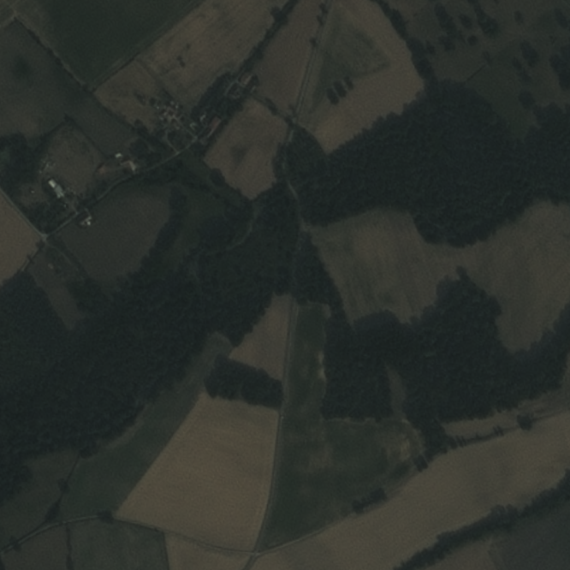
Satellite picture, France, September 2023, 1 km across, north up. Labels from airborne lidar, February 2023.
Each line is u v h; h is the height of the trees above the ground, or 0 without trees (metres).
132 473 0
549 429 0
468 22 14
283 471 0
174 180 7
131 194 0
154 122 0
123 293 23
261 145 0
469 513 0
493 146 26
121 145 0
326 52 0
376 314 0
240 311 16
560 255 0
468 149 13
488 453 0
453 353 30
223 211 0
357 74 0
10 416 28
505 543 0
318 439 0
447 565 0
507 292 0
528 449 0
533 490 0
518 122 0
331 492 0
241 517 0
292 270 0
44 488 0
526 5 0
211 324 19
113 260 0
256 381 18
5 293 19
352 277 0
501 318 0
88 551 0
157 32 0
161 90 0
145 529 0
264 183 0
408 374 23
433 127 25
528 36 0
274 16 15
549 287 0
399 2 0
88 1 0
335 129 0
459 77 0
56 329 17
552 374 19
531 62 22
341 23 0
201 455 0
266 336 0
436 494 0
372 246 0
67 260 0
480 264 0
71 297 0
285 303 0
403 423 0
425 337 16
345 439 0
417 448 0
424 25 0
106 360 22
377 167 23
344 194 8
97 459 0
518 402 15
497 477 0
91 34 0
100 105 17
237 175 0
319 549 0
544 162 18
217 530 0
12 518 0
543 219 0
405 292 0
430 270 0
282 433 0
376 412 19
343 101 0
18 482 16
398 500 0
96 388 16
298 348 0
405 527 0
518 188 21
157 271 0
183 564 0
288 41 0
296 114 15
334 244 0
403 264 0
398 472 0
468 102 25
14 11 0
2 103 0
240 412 0
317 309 0
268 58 0
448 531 0
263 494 0
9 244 0
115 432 19
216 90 9
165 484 0
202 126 9
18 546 17
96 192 0
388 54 0
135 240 0
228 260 0
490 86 0
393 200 19
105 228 0
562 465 0
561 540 0
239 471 0
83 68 0
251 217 0
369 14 0
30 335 13
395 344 29
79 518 0
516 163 23
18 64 0
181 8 0
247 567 0
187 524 0
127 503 0
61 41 0
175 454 0
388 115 0
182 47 0
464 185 26
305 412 0
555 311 0
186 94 0
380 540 0
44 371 7
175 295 20
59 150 0
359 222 0
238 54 0
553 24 0
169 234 19
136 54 0
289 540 0
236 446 0
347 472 0
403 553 0
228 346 0
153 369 18
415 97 0
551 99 0
